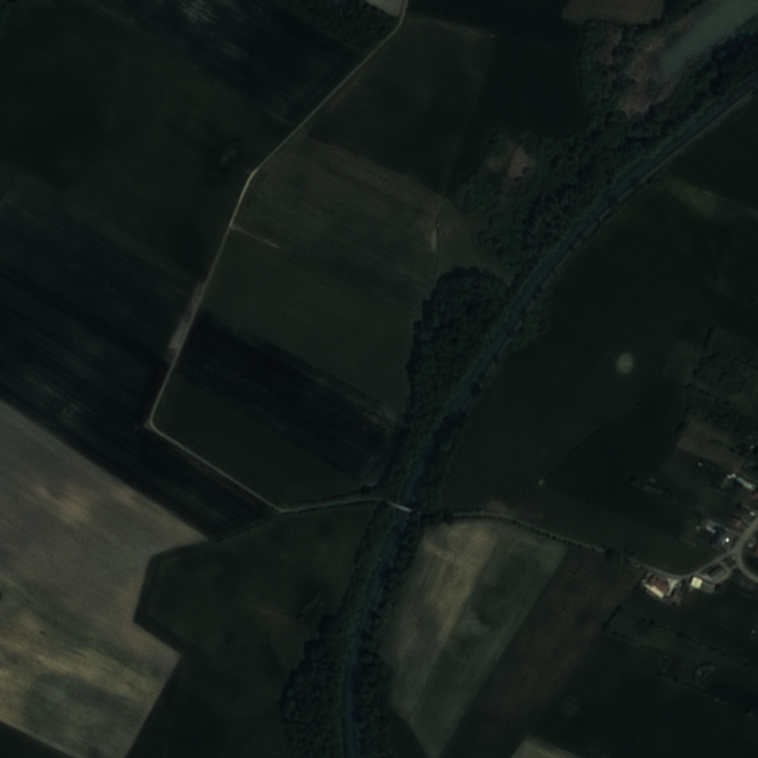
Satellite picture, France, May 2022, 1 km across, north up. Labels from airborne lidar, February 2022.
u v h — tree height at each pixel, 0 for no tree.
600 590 0
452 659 0
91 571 0
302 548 0
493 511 0
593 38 7
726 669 0
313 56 0
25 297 0
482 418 0
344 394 0
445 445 24
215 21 0
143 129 0
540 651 0
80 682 0
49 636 0
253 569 0
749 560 0
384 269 0
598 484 0
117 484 0
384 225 0
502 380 0
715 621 0
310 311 0
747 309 0
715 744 0
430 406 11
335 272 0
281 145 0
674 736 0
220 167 0
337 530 0
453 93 0
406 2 0
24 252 0
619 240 0
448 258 0
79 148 0
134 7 0
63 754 0
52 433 0
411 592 0
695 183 0
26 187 0
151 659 0
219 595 0
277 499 0
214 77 0
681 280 0
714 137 0
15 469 0
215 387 0
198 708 0
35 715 0
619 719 0
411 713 0
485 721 0
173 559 0
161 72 0
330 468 0
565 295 0
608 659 0
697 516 0
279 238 0
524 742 0
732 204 0
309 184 0
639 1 0
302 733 20
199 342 0
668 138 16
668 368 0
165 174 0
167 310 0
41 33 0
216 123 0
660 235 0
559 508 0
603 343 0
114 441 0
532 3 0
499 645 0
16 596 0
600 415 0
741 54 32
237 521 0
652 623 8
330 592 0
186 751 0
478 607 0
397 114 0
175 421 0
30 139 0
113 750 0
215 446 0
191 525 0
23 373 0
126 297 0
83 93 0
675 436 0
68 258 0
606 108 8
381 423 0
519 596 0
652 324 0
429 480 9
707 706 0
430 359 23
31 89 0
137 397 0
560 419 0
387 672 18
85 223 0
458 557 0
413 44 0
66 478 0
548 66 0
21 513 0
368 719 23
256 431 0
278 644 0
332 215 0
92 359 0
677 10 21
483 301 22
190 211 0
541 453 0
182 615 0
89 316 0
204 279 0
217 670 0
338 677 22
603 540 0
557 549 0
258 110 0
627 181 0
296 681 17
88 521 0
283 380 0
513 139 0
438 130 0
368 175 0
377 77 0
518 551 0
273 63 0
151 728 0
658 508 0
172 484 0
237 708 0
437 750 0
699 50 0
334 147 0
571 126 0
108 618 0
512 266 6
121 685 0
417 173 0
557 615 0
